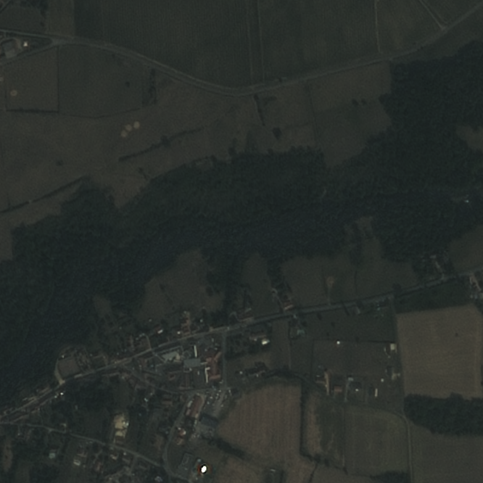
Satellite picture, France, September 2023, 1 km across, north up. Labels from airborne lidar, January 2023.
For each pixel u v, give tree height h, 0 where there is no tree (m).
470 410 7
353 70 0
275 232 16
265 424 0
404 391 0
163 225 23
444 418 12
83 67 0
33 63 0
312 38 0
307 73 0
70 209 8
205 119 0
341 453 0
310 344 0
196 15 0
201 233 18
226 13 0
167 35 0
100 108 0
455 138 16
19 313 23
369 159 9
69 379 0
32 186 0
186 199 8
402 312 0
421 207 27
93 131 0
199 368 0
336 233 20
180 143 0
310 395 0
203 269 0
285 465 0
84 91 0
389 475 12
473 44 10
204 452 0
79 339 11
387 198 21
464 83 8
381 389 0
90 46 0
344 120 0
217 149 0
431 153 21
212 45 0
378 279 0
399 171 25
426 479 0
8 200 0
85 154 0
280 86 0
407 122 18
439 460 0
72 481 0
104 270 30
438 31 0
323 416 0
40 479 13
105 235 24
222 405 0
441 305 0
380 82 0
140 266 19
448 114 16
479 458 0
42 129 0
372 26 0
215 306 0
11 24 0
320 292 0
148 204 15
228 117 0
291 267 0
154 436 0
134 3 0
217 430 0
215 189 11
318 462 15
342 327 0
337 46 0
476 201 26
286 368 11
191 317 0
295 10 0
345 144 0
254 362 0
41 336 15
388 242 21
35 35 0
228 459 0
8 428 10
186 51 0
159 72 0
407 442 0
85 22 0
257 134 0
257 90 0
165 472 14
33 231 9
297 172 6
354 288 0
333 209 29
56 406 8
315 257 0
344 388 0
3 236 0
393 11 0
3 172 0
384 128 0
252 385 0
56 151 0
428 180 19
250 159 15
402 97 18
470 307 0
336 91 0
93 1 0
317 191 13
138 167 0
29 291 20
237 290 7
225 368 0
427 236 23
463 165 19
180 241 9
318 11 0
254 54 0
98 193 7
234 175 10
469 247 0
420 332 0
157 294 0
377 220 15
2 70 0
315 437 0
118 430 0
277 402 0
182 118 0
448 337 0
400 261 7
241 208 22
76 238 20
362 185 22
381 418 0
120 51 0
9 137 0
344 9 0
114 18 0
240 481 0
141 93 0
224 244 13
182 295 0
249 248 16
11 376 25
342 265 0
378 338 0
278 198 26
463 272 0
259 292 0
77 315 17
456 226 21
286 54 0
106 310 0
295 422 0
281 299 7
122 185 0
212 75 0
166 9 0
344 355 0
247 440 0
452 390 0
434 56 0
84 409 17
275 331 0
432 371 0
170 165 0
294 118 0
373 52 0
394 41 0
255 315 0
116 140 0
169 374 0
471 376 0
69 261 24
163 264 19
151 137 0
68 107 0
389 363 0
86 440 0
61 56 0
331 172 8
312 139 0
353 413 0
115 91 0
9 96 0
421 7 0
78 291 12
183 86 0
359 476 0
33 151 0
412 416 7
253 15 0
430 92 21
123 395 0
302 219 18
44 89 0
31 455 10
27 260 16
